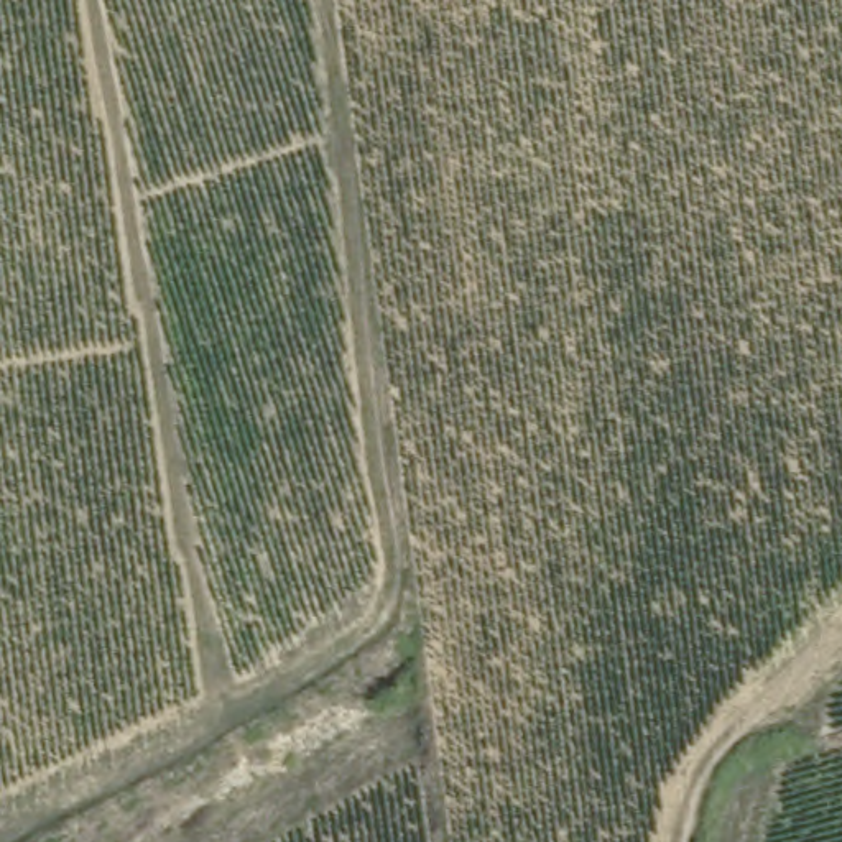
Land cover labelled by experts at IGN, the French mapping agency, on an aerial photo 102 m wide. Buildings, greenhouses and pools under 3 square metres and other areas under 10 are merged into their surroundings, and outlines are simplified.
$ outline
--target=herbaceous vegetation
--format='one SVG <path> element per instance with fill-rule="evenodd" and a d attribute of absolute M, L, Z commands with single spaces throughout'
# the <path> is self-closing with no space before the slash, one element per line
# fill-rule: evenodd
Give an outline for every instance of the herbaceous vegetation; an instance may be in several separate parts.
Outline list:
<path fill-rule="evenodd" d="M 720 842 L 766 842 L 773 816 L 783 809 L 780 789 L 786 763 L 747 773 L 733 786 L 730 806 L 724 812 Z"/>
<path fill-rule="evenodd" d="M 796 733 L 809 740 L 819 733 L 819 724 L 826 717 L 832 717 L 832 691 L 839 691 L 839 681 L 819 684 L 796 707 L 783 707 L 776 714 L 780 724 L 766 724 L 743 733 L 720 756 L 701 793 L 691 835 L 701 839 L 714 783 L 737 753 L 780 733 Z"/>
<path fill-rule="evenodd" d="M 72 756 L 33 766 L 26 776 L 0 786 L 0 839 L 13 839 L 43 816 L 76 806 L 86 796 L 95 796 L 99 806 L 118 803 L 138 786 L 178 773 L 201 753 L 217 756 L 230 733 L 243 737 L 250 727 L 273 717 L 280 707 L 293 707 L 299 724 L 286 733 L 270 737 L 270 760 L 237 760 L 234 770 L 227 770 L 197 796 L 181 793 L 164 812 L 155 816 L 161 832 L 151 842 L 286 842 L 289 832 L 303 832 L 309 839 L 316 816 L 332 816 L 352 806 L 359 796 L 368 796 L 372 789 L 395 793 L 395 776 L 405 773 L 401 750 L 411 743 L 411 737 L 405 717 L 391 717 L 388 707 L 365 707 L 365 687 L 375 678 L 388 674 L 388 668 L 398 661 L 395 638 L 401 635 L 401 625 L 391 622 L 395 595 L 385 595 L 385 585 L 375 579 L 365 579 L 355 592 L 345 592 L 326 612 L 293 612 L 296 632 L 260 651 L 260 658 L 247 671 L 227 678 L 204 678 L 204 671 L 194 671 L 194 697 L 164 707 L 151 717 L 141 717 L 135 724 L 125 724 L 122 730 L 92 740 Z"/>

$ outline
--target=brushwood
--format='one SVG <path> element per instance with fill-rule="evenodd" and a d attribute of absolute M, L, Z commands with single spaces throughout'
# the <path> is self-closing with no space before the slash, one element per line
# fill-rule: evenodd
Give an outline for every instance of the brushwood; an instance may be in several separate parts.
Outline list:
<path fill-rule="evenodd" d="M 95 796 L 86 796 L 76 806 L 43 816 L 13 839 L 0 839 L 0 842 L 151 842 L 161 832 L 155 816 L 164 812 L 181 793 L 197 796 L 227 770 L 234 770 L 237 760 L 270 760 L 270 737 L 286 733 L 299 724 L 293 707 L 280 707 L 273 717 L 250 727 L 243 737 L 230 733 L 217 756 L 201 753 L 178 773 L 138 786 L 118 803 L 99 806 Z"/>
<path fill-rule="evenodd" d="M 786 763 L 812 753 L 809 740 L 796 733 L 780 733 L 737 753 L 714 783 L 701 839 L 691 835 L 687 842 L 720 842 L 724 812 L 730 806 L 733 786 L 747 773 Z"/>

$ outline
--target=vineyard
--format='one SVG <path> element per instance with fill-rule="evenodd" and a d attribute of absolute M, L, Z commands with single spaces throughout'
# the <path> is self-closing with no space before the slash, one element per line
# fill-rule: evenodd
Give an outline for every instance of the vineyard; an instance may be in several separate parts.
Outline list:
<path fill-rule="evenodd" d="M 812 753 L 786 763 L 780 789 L 783 809 L 773 816 L 766 842 L 842 842 L 842 681 L 839 681 L 839 691 L 832 691 L 832 717 L 826 717 L 819 724 L 819 733 L 809 740 Z"/>
<path fill-rule="evenodd" d="M 766 661 L 789 632 L 803 625 L 806 615 L 829 602 L 829 592 L 835 585 L 842 585 L 842 0 L 0 0 L 0 786 L 26 776 L 33 766 L 72 756 L 92 740 L 122 730 L 125 724 L 135 724 L 141 717 L 151 717 L 164 707 L 194 697 L 194 671 L 204 671 L 204 678 L 227 678 L 247 671 L 260 658 L 260 651 L 296 632 L 293 612 L 326 612 L 345 592 L 355 592 L 365 579 L 375 579 L 385 585 L 385 595 L 395 595 L 391 622 L 401 625 L 401 635 L 395 638 L 398 661 L 388 668 L 388 674 L 375 678 L 365 687 L 365 707 L 388 707 L 391 717 L 405 717 L 411 737 L 411 743 L 401 750 L 405 773 L 395 776 L 395 793 L 372 789 L 368 796 L 359 796 L 352 806 L 332 816 L 316 816 L 309 839 L 303 832 L 289 832 L 286 842 L 651 842 L 655 812 L 661 806 L 661 783 L 674 773 L 674 763 L 714 717 L 717 704 L 730 691 L 737 691 L 747 668 Z"/>

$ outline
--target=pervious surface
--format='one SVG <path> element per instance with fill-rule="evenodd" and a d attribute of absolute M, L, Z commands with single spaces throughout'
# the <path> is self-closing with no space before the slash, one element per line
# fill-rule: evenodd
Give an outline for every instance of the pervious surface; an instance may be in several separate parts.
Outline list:
<path fill-rule="evenodd" d="M 829 592 L 829 602 L 806 615 L 803 625 L 789 632 L 766 661 L 747 668 L 737 691 L 730 691 L 717 704 L 714 717 L 674 763 L 674 773 L 661 783 L 661 806 L 655 812 L 651 842 L 687 842 L 691 835 L 701 793 L 720 756 L 743 733 L 766 724 L 780 724 L 776 714 L 783 707 L 796 707 L 819 684 L 839 681 L 842 681 L 842 585 L 835 585 Z"/>

